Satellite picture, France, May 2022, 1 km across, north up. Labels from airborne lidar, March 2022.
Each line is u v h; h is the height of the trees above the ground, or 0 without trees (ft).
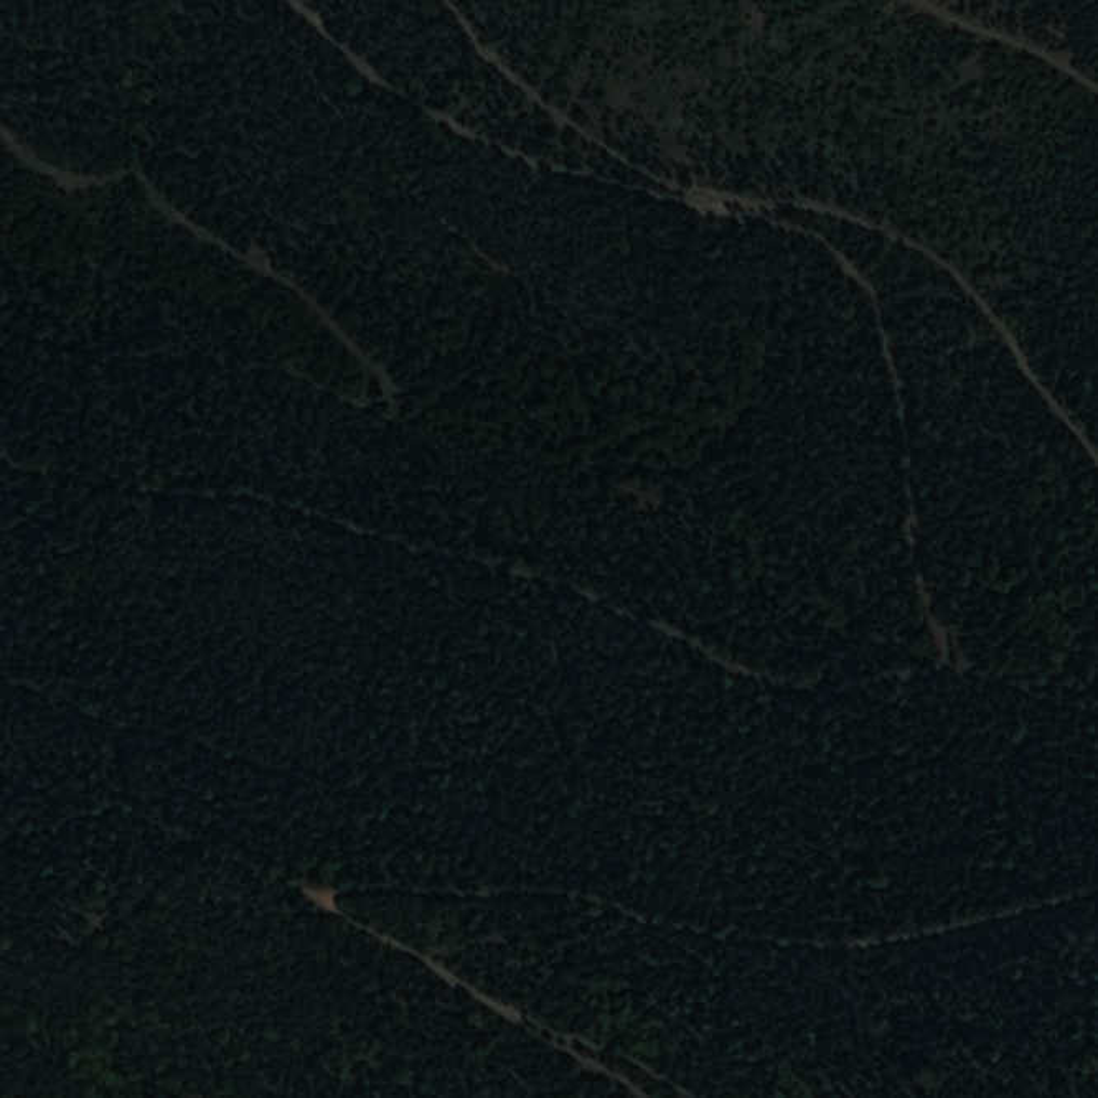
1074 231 54
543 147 52
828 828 104
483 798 93
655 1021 79
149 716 81
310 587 116
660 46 22
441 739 104
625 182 73
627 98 0
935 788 70
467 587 112
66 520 122
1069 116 39
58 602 87
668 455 84
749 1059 54
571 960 77
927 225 44
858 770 23
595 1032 69
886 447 87
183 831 82
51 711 94
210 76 87
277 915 76
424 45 76
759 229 80
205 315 53
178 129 40
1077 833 71
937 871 56
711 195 0
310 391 31
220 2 99
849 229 72
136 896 75
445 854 81
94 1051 84
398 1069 90
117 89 107
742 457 104
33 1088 89
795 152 26
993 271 28
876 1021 86
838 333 81
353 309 71
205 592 100
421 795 95
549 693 78
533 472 26
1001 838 54
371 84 46
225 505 85
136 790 115
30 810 107
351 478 36
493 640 114
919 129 20
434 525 108
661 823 92
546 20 31
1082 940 104
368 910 32
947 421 90
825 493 85
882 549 112
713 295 82
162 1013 91
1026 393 62
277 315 63
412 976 58
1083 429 23
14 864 80
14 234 29
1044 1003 68
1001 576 83
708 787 92
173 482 97
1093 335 55
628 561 29
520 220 94
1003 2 26
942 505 85
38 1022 79
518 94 55
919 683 42
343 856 102
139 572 107
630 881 74
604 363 104
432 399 43
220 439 117
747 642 115
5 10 109
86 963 83
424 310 27
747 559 114
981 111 43
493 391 91
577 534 29
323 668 102
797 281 89
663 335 91
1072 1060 74
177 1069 83
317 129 80
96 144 73
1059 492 81
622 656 105
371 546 43
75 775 39
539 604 34
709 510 125
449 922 23
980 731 34
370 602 95
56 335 110
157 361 33
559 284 89
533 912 62
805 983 83
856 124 71
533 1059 61
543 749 94
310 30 93
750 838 93
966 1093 84
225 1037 81
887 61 61
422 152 69
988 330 52
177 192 42
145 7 85
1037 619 65
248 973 70
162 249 46
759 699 53
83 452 111
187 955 63
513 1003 37
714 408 102
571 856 87
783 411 98
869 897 54
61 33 90
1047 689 59
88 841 79
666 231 85
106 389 33
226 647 97
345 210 107
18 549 68
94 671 97
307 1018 81
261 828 77
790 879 95
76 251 39
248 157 82
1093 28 37
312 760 102
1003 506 80
